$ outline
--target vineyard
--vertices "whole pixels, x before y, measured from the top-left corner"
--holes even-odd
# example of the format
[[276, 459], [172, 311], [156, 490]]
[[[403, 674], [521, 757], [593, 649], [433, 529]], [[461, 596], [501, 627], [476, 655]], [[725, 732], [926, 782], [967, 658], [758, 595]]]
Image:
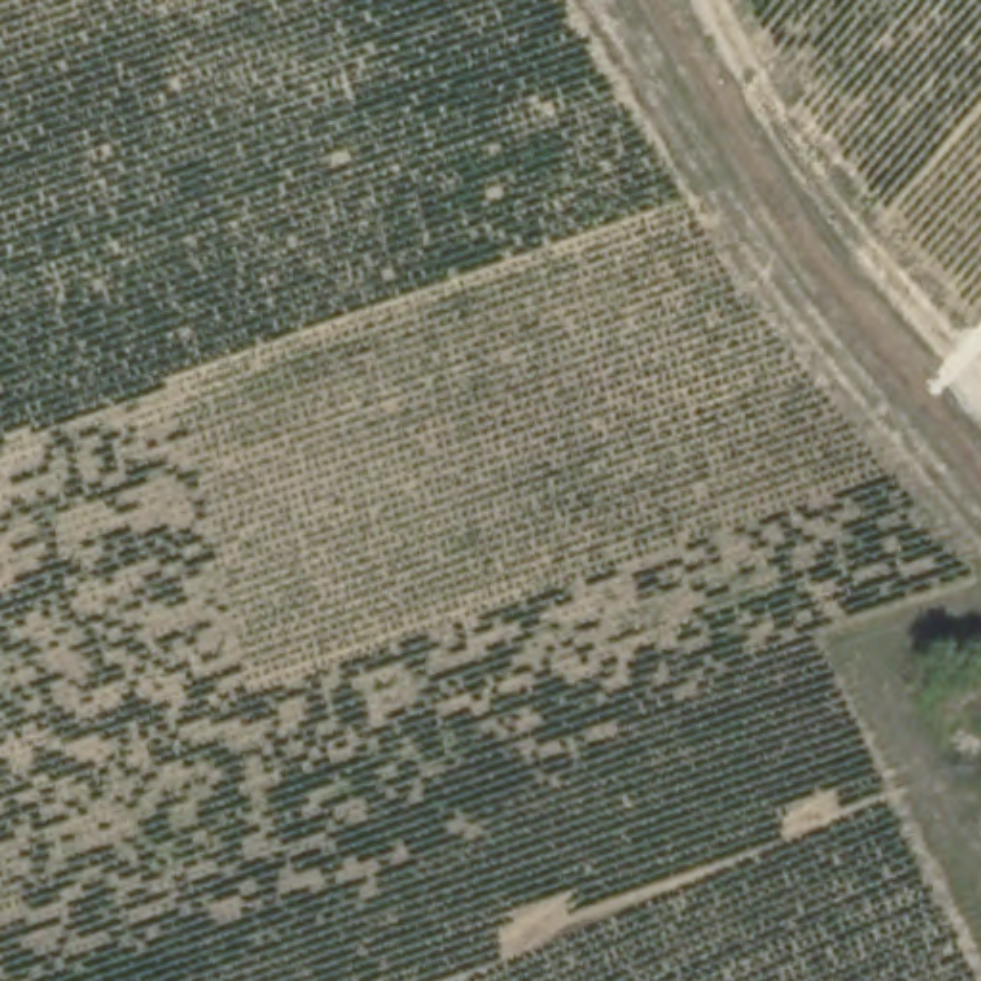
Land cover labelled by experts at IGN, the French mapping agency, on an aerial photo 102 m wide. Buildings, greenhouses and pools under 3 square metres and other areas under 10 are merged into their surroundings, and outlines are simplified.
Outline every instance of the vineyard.
[[770, 69], [770, 84], [778, 88], [778, 96], [786, 103], [809, 107], [843, 149], [843, 165], [828, 176], [816, 176], [793, 146], [801, 123], [763, 123], [789, 176], [812, 195], [828, 226], [855, 253], [862, 241], [885, 245], [893, 261], [908, 268], [908, 276], [927, 291], [935, 310], [943, 310], [958, 330], [973, 330], [981, 322], [981, 0], [736, 0], [743, 27], [759, 23], [778, 46]]
[[958, 950], [954, 927], [939, 912], [916, 855], [901, 835], [893, 809], [885, 805], [881, 778], [862, 747], [847, 701], [839, 697], [812, 644], [816, 628], [824, 628], [828, 621], [812, 598], [816, 582], [835, 582], [835, 602], [847, 613], [862, 613], [939, 582], [954, 582], [966, 575], [966, 563], [943, 540], [912, 525], [912, 491], [889, 475], [885, 460], [862, 437], [855, 437], [855, 422], [847, 422], [839, 406], [828, 402], [828, 395], [801, 372], [797, 353], [759, 318], [755, 299], [736, 295], [728, 272], [713, 253], [705, 226], [678, 195], [674, 180], [663, 172], [655, 149], [644, 142], [632, 115], [613, 100], [609, 80], [594, 69], [586, 42], [571, 31], [559, 0], [0, 0], [0, 981], [973, 981], [973, 970]]

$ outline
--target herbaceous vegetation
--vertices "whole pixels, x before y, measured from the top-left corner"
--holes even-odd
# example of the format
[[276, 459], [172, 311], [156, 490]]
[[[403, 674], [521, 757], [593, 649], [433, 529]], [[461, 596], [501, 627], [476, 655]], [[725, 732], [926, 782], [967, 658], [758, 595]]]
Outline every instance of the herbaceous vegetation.
[[862, 272], [855, 253], [828, 226], [812, 195], [789, 176], [763, 123], [755, 119], [743, 96], [755, 73], [732, 73], [724, 65], [713, 34], [694, 11], [694, 0], [559, 0], [571, 31], [586, 42], [594, 69], [609, 80], [613, 100], [632, 115], [644, 142], [655, 149], [663, 172], [674, 180], [678, 195], [705, 226], [713, 253], [728, 272], [736, 295], [755, 299], [759, 318], [797, 353], [801, 372], [828, 395], [828, 402], [839, 406], [847, 422], [855, 422], [855, 437], [862, 437], [885, 460], [889, 475], [912, 491], [912, 525], [943, 540], [966, 563], [966, 575], [954, 582], [939, 582], [862, 613], [847, 613], [835, 602], [835, 582], [816, 582], [812, 598], [828, 621], [824, 628], [816, 628], [812, 644], [839, 697], [847, 701], [862, 747], [881, 778], [885, 805], [893, 809], [901, 835], [916, 855], [939, 912], [954, 927], [958, 950], [973, 970], [973, 981], [981, 981], [981, 686], [947, 694], [927, 682], [924, 697], [916, 697], [916, 686], [901, 682], [897, 674], [901, 659], [912, 648], [931, 651], [931, 644], [939, 640], [981, 640], [981, 422], [970, 410], [962, 410], [954, 391], [931, 395], [931, 379], [943, 368], [939, 353]]

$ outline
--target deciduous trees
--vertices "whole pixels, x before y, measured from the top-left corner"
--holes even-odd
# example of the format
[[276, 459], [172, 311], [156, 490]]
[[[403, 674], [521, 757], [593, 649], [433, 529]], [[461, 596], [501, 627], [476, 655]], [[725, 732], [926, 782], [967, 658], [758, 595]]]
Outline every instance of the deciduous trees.
[[924, 697], [927, 682], [947, 694], [981, 686], [981, 640], [939, 640], [931, 644], [931, 651], [912, 648], [901, 659], [897, 674], [901, 682], [916, 686], [916, 697]]

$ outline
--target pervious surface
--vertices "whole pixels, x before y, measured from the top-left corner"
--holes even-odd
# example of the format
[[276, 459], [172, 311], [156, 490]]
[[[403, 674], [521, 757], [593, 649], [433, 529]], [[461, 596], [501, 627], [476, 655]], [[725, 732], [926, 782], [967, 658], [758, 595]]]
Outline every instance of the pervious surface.
[[927, 291], [908, 276], [908, 268], [893, 261], [885, 245], [862, 241], [855, 253], [862, 272], [939, 353], [943, 368], [931, 379], [931, 395], [954, 391], [962, 410], [970, 410], [981, 422], [981, 322], [973, 330], [958, 330], [943, 310], [935, 310]]
[[759, 23], [743, 27], [736, 0], [694, 0], [694, 11], [713, 34], [724, 65], [732, 73], [755, 73], [743, 96], [755, 119], [763, 123], [801, 123], [793, 146], [816, 176], [828, 176], [843, 165], [843, 149], [809, 107], [786, 103], [778, 96], [778, 88], [770, 84], [770, 69], [778, 46]]

